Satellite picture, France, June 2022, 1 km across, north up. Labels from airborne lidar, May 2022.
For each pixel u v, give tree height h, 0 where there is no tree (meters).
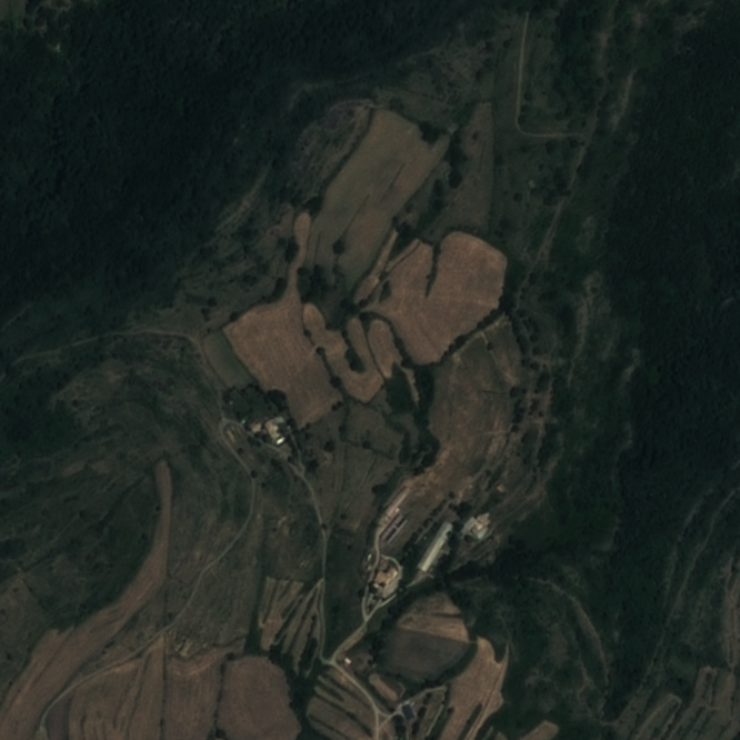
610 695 9
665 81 12
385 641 10
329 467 0
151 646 0
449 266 0
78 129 21
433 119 0
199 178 9
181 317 0
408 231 8
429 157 0
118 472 0
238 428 0
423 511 0
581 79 9
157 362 0
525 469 0
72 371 7
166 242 10
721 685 0
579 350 0
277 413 5
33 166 9
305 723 8
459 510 17
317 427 0
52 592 0
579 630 9
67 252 15
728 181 8
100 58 14
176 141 23
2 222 18
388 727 0
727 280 14
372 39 7
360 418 0
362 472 0
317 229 0
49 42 7
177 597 0
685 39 16
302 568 0
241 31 11
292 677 9
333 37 11
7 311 7
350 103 0
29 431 6
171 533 0
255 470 9
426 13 6
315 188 0
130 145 22
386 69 5
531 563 8
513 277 7
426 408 6
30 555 0
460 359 0
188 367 0
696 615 0
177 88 21
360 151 0
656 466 10
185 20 6
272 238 0
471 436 0
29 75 17
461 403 0
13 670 0
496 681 0
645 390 10
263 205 0
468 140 0
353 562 0
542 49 0
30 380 9
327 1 13
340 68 9
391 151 0
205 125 18
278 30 6
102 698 0
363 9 6
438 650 0
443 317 0
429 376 8
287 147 8
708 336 14
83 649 0
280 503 0
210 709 0
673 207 11
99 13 19
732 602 0
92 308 7
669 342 13
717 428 10
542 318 0
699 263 12
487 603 8
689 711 0
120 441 0
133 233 12
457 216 0
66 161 18
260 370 0
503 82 0
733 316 12
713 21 10
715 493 6
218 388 0
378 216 0
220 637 0
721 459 8
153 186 18
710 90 16
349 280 0
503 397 0
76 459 0
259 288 0
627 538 7
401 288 0
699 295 11
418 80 0
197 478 0
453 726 0
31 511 0
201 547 0
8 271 15
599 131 6
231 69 16
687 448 9
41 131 14
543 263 0
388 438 0
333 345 0
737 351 11
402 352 6
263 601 0
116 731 0
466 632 0
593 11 7
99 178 20
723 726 0
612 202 7
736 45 19
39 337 6
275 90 9
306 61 11
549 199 8
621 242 13
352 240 0
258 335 0
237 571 0
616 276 9
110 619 0
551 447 7
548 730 0
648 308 14
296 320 0
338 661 0
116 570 0
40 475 0
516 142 0
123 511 0
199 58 16
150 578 0
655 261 17
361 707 0
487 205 0
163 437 0
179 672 0
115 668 0
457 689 0
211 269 7
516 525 0
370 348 0
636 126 6
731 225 15
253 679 0
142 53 19
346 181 0
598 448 6
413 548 7
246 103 7
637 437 7
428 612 0
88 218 13
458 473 0
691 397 20
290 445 7
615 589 13
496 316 11
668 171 17
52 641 0
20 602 0
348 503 0
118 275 8
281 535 0
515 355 0
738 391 9
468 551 0
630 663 10
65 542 0
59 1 6
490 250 0
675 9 7
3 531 0
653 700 7
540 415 5
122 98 18
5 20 9
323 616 0
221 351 0
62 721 0
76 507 0
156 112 19
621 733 0
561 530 0
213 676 0
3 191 23
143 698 0
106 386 0
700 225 10
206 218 6
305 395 0
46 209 15
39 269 14
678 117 17
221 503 0
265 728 0
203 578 0
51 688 0
